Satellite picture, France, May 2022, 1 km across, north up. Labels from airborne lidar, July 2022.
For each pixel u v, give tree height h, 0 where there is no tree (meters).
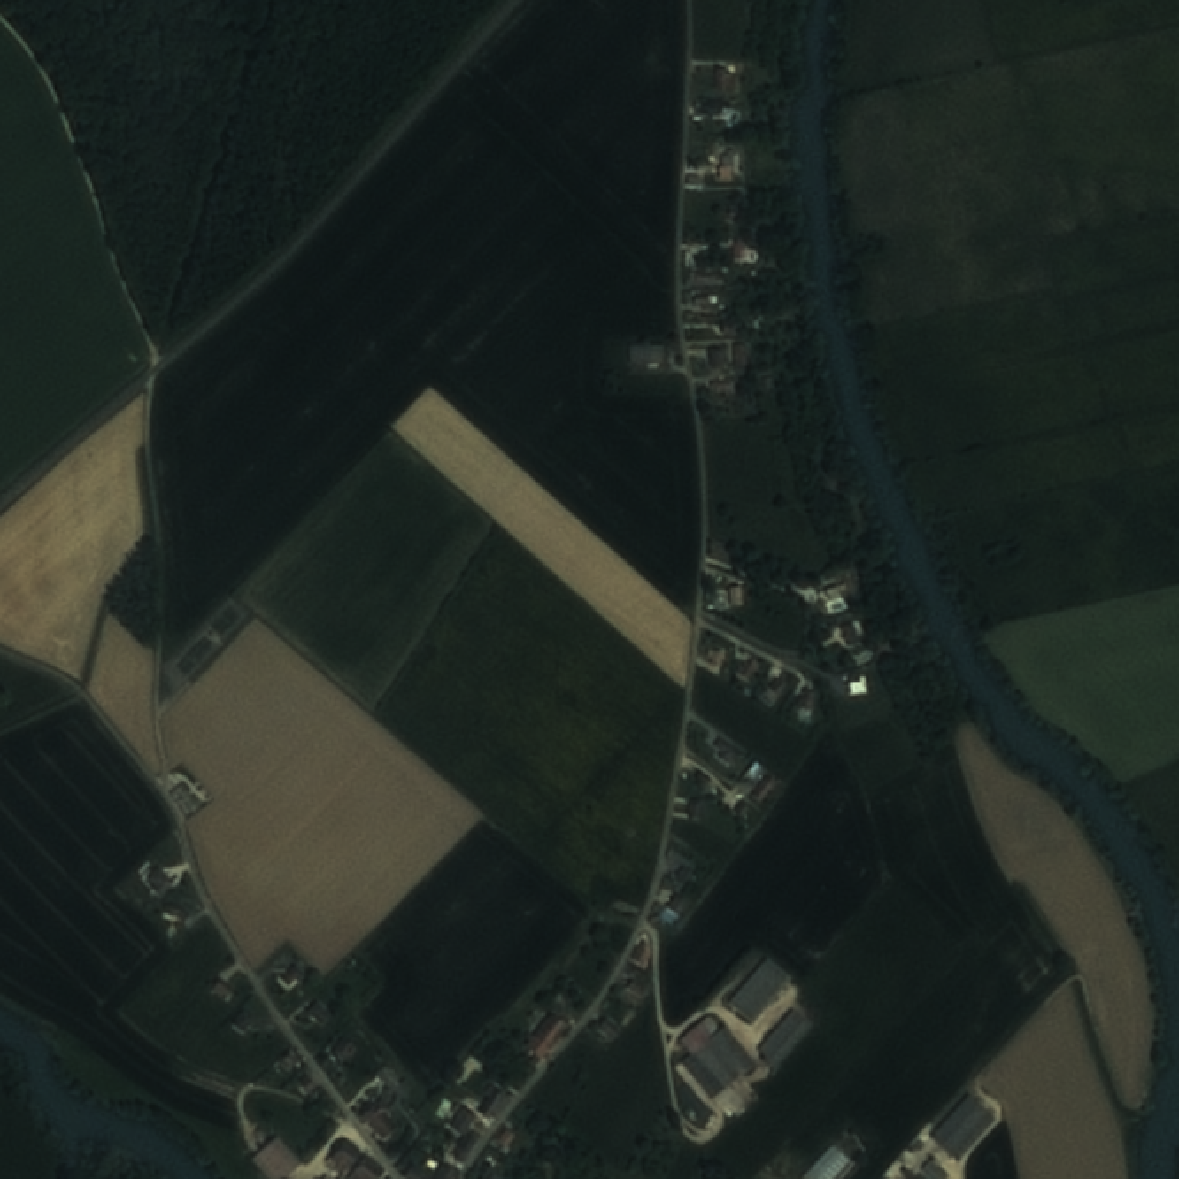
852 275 15
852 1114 0
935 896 0
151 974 0
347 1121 0
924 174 0
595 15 0
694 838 0
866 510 8
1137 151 0
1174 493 0
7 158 0
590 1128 0
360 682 0
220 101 19
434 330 0
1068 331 0
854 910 0
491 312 0
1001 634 0
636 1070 0
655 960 0
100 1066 0
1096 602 0
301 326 0
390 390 0
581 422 0
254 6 29
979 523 0
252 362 0
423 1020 0
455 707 0
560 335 0
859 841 0
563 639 0
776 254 20
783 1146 0
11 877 0
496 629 0
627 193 0
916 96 0
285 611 0
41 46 16
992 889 0
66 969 0
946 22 0
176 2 28
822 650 11
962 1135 0
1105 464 0
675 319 0
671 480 0
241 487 0
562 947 0
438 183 0
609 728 0
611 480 0
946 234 0
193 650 0
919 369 0
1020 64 0
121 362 0
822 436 16
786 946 0
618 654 0
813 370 12
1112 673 0
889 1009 0
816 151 0
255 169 26
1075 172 0
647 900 0
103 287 0
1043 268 0
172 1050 0
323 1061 11
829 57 8
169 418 0
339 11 20
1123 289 0
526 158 0
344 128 20
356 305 0
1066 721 0
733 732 0
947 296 0
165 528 0
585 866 0
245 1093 0
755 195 16
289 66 24
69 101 21
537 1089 0
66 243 0
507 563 0
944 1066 0
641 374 0
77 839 0
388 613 0
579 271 0
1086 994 0
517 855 0
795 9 18
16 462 0
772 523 0
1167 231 0
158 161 21
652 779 0
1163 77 0
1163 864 11
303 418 0
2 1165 0
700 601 0
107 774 0
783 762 0
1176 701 0
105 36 24
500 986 0
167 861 0
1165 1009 6
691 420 0
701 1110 0
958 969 0
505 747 0
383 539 0
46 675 0
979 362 0
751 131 15
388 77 22
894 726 0
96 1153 5
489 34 0
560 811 0
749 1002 0
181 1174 0
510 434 0
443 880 0
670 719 0
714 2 0
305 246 0
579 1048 0
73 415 0
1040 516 0
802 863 0
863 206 0
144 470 0
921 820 0
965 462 0
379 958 0
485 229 0
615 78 0
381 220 0
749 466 0
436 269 0
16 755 0
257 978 0
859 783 0
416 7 20
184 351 0
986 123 0
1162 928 0
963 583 12
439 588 0
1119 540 0
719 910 0
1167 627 0
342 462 0
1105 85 0
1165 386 0
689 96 0
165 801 0
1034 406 0
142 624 20
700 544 0
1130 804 13
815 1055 0
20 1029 0
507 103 0
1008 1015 0
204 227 21
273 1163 0
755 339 8
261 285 0
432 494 0
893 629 20
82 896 0
